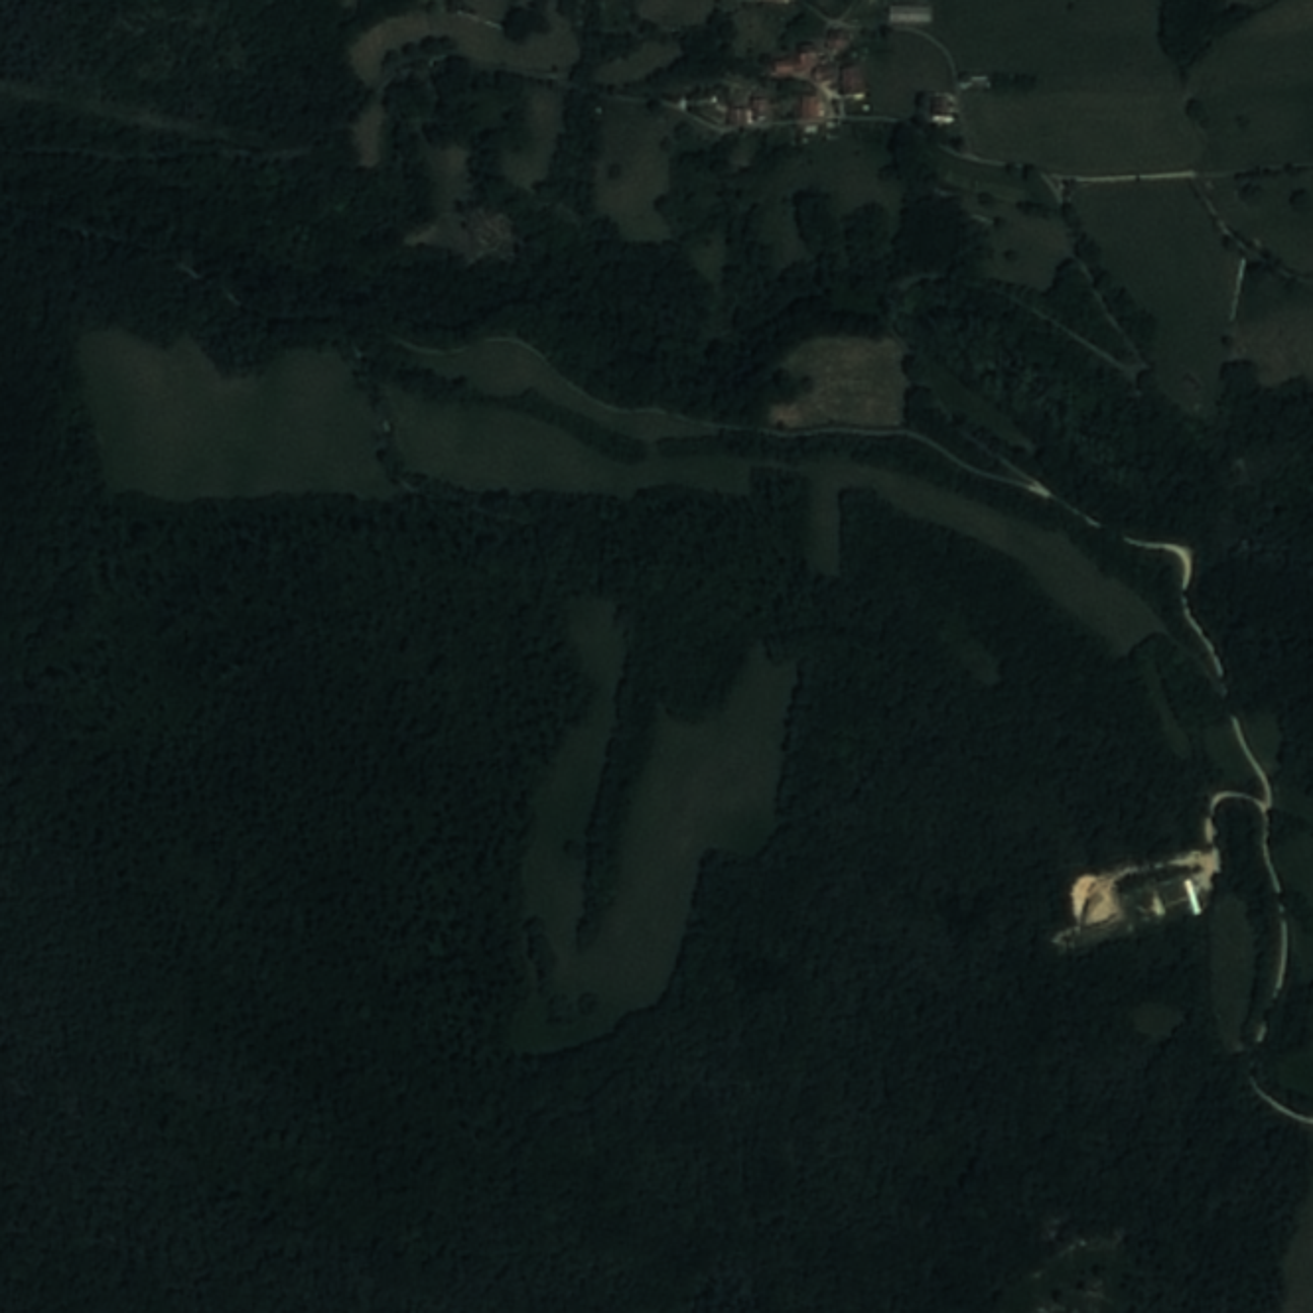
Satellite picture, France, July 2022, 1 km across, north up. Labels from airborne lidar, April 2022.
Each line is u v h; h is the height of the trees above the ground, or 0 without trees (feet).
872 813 45
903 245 40
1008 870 25
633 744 35
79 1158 48
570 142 38
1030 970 50
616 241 36
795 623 41
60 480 64
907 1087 41
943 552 36
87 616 76
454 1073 20
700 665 24
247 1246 54
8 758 61
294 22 32
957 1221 53
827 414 0
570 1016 25
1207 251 0
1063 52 0
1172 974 32
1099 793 25
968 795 38
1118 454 23
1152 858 26
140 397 0
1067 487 51
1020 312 43
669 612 27
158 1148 53
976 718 38
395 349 48
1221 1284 61
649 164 0
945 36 0
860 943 40
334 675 46
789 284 70
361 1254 51
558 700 55
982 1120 37
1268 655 74
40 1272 50
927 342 113
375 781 47
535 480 0
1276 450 30
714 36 34
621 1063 23
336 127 70
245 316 71
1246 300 0
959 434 36
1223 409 31
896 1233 60
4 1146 47
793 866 44
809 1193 23
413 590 37
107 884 43
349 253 57
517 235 35
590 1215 29
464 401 60
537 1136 42
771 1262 52
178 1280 57
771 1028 47
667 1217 53
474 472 0
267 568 48
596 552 21
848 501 41
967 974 33
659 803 0
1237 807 35
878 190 0
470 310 46
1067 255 0
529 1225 51
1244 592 60
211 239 28
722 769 0
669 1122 43
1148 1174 57
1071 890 29
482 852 18
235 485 0
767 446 46
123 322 50
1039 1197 34
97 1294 59
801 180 0
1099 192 0
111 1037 39
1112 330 30
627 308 66
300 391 0
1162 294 0
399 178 29
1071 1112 56
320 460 0
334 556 56
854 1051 32
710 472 0
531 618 54
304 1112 46
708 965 36
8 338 50
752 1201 52
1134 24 0
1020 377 23
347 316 59
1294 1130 48
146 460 0
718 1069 42
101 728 45
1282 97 0
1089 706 37
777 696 0
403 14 46
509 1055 23
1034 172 43
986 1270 48
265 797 49
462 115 33
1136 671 46
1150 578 27
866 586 46
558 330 46
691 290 49
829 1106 41
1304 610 65
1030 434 48
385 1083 51
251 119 45
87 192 42
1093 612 0
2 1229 58
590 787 0
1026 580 39
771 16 0
